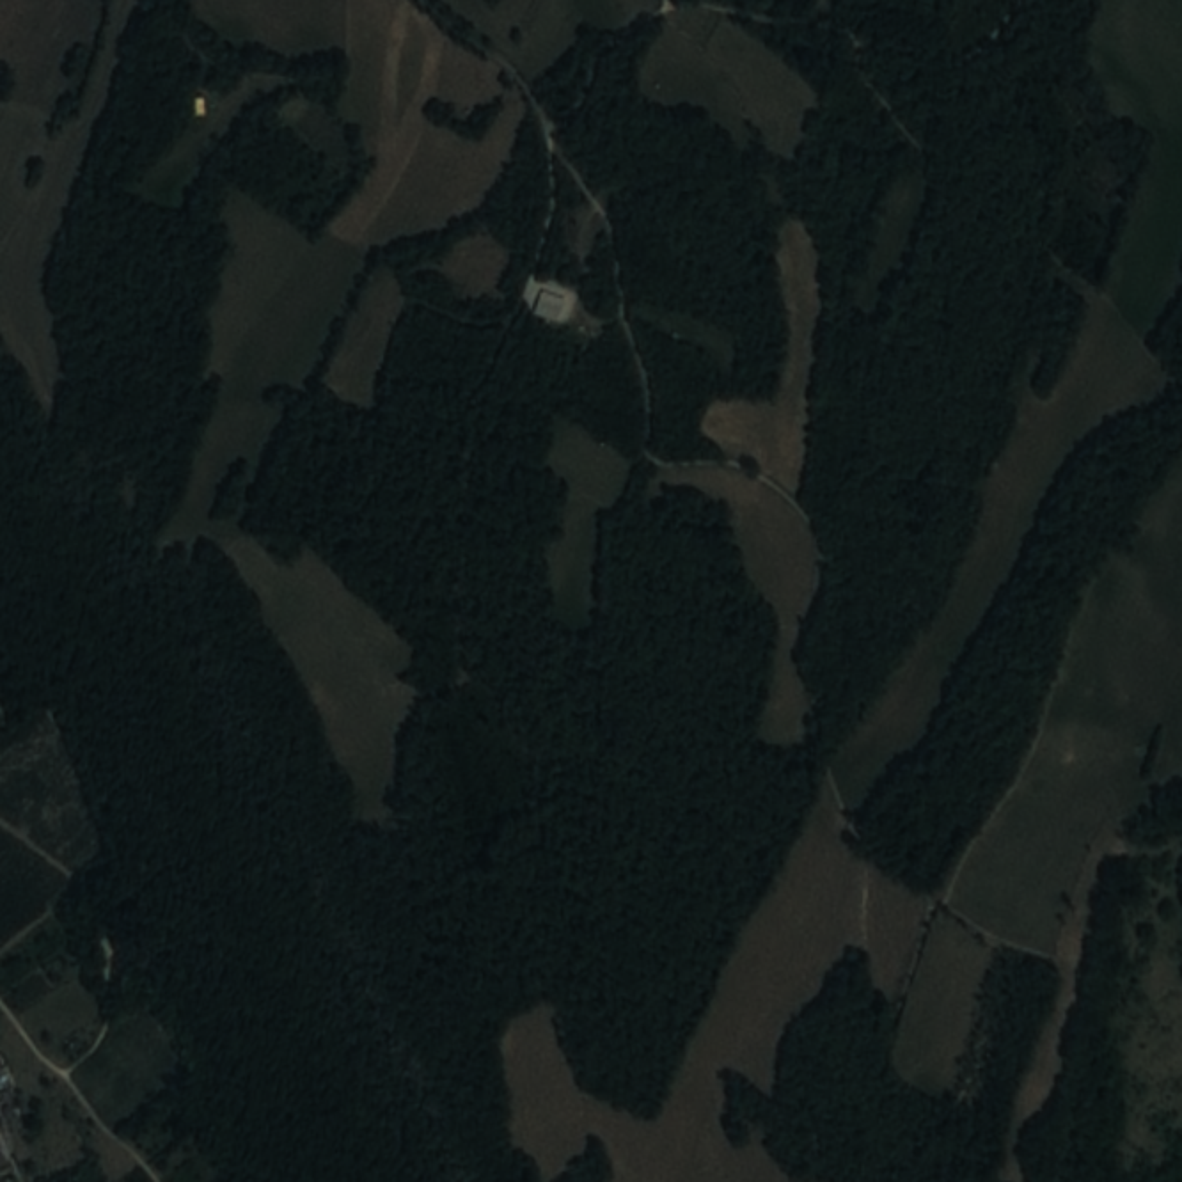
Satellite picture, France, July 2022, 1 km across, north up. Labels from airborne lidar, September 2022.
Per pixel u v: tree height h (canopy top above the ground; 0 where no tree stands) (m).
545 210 13
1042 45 17
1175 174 0
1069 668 0
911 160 18
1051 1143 24
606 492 0
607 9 0
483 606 17
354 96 0
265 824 9
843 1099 11
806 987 0
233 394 0
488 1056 17
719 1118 0
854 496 15
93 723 24
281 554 19
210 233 12
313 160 7
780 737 0
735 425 0
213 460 0
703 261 6
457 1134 11
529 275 6
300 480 19
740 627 16
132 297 7
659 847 14
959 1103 13
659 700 16
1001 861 0
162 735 23
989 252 15
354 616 0
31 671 21
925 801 14
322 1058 19
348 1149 20
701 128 17
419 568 11
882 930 0
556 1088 0
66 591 20
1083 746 0
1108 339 0
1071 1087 23
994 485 0
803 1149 15
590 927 13
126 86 15
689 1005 14
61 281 16
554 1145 0
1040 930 0
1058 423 0
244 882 21
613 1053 16
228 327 0
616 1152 0
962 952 0
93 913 16
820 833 0
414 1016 11
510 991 16
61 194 0
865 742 0
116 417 13
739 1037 0
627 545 17
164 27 15
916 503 17
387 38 0
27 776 0
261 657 13
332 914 13
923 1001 0
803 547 0
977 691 16
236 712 8
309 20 0
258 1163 22
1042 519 11
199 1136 16
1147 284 0
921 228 15
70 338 9
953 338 17
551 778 14
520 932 13
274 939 19
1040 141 20
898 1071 7
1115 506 13
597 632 15
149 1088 0
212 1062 22
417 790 21
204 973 17
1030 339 15
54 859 0
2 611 19
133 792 21
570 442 0
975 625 0
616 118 16
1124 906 7
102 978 16
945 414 17
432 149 0
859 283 13
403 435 16
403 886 15
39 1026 0
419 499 17
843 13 11
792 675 0
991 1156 20
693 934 17
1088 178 15
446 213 0
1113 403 0
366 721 0
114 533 10
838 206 9
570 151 7
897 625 14
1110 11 0
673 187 20
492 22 0
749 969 0
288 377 0
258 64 16
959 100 17
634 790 16
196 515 0
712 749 17
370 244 0
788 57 14
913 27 10
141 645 25
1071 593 14
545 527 19
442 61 0
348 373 0
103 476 9
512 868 17
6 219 0
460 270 0
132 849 18
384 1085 9
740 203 16
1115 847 0
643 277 9
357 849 17
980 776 13
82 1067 0
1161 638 0
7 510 17
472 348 9
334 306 0
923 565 16
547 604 15
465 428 17
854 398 6
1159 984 0
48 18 0
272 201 12
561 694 12
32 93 0
